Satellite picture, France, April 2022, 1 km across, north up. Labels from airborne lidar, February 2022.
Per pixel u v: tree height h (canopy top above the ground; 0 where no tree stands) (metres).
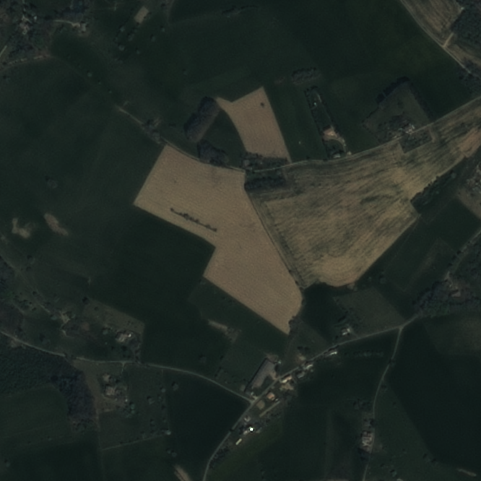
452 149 0
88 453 0
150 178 0
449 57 0
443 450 0
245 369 0
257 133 0
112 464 0
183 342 0
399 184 0
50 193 0
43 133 0
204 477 0
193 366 0
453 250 0
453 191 0
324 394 0
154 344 0
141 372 0
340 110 0
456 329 0
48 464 0
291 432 0
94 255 0
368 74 0
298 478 0
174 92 0
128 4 0
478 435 0
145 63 0
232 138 0
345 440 0
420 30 0
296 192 0
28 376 8
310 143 0
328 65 0
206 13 0
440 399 0
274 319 0
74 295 0
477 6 27
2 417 0
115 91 0
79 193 0
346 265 0
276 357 0
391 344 0
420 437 0
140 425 0
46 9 0
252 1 0
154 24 0
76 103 0
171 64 0
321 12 0
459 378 0
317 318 0
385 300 0
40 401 0
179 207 0
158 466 0
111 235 0
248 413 0
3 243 0
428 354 0
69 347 0
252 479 0
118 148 0
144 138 0
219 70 0
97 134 0
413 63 0
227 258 0
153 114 0
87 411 20
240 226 0
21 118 0
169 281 0
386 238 0
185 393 0
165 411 13
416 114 0
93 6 0
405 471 0
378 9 0
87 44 0
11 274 21
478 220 0
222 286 0
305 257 0
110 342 0
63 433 0
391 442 0
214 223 0
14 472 0
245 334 0
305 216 0
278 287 0
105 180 0
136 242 0
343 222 0
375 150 0
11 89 0
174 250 0
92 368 0
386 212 0
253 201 0
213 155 28
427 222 0
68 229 0
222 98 0
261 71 0
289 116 0
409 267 0
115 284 0
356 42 0
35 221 0
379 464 0
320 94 9
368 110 0
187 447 0
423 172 0
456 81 0
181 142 0
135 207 0
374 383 0
